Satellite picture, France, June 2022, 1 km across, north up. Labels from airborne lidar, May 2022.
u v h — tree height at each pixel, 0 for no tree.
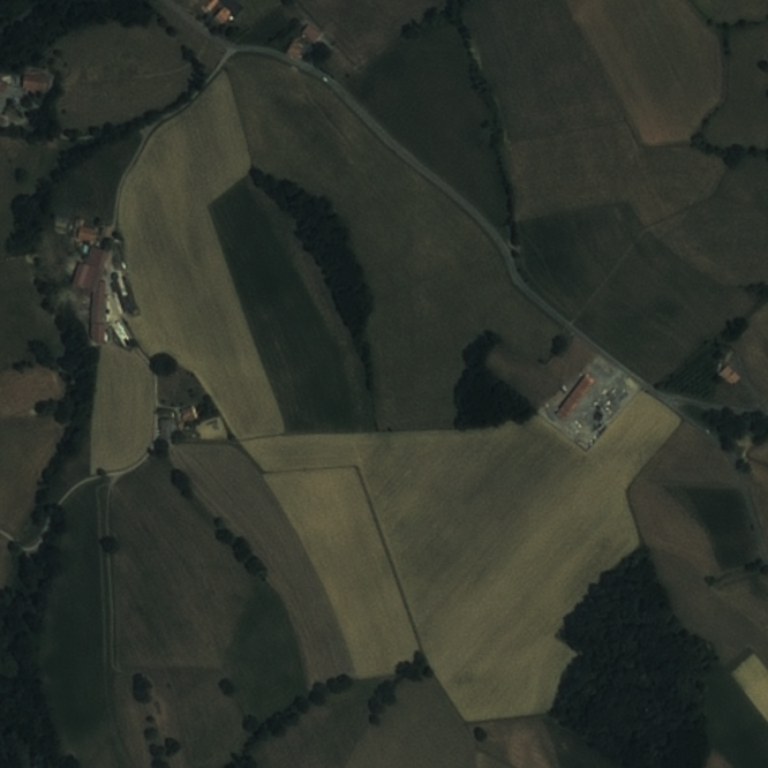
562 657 0
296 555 0
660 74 0
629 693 28
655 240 0
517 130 0
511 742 0
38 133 14
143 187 0
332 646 0
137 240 0
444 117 0
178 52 0
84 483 0
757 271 0
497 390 26
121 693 0
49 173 0
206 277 0
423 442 0
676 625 20
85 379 16
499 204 0
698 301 0
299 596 0
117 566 0
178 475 14
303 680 0
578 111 0
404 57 0
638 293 0
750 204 0
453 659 0
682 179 0
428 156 0
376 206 0
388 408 0
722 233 0
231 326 0
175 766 0
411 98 0
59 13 30
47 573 15
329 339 0
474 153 0
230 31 10
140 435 0
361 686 0
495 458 0
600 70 0
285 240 0
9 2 17
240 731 0
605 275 0
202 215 0
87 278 0
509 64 0
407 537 0
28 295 0
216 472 0
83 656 0
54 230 0
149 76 0
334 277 20
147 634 0
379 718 8
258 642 0
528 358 0
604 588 15
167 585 0
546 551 0
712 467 0
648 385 0
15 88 0
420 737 0
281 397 0
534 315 0
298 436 0
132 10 29
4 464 0
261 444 0
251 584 0
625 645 25
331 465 0
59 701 0
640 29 0
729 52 7
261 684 0
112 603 0
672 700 22
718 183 0
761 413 13
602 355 0
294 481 0
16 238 18
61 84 11
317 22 0
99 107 0
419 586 0
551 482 0
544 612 0
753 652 0
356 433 0
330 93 0
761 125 0
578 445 0
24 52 10
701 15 0
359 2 0
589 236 0
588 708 26
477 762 0
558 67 0
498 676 0
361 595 0
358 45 0
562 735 0
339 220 24
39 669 16
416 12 0
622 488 0
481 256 0
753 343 0
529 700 0
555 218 0
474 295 0
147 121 13
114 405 0
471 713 0
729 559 0
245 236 0
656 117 0
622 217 0
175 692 0
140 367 0
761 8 0
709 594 0
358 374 0
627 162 0
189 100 14
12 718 24
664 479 0
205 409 7
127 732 0
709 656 12
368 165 0
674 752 33
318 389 0
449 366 0
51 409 21
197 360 0
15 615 15
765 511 0
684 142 0
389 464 0
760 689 0
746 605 0
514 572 0
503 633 0
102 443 0
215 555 0
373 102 0
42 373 0
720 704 0
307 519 0
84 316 0
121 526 0
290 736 0
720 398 0
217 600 0
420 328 0
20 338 0
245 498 0
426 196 0
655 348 0
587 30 0
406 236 0
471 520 0
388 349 0
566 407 0
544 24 0
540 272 0
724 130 0
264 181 17
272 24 0
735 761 0
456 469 0
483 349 23
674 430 0
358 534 0
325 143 0
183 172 0
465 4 14
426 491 0
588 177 0
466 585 0
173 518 0
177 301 0
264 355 0
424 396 0
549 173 0
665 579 0
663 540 0
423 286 0
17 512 0
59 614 0
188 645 0
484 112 0
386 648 0
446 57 0
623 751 26
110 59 0
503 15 0
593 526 0
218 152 0
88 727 0
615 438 0
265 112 0
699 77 0
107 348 0
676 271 0
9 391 0
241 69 0
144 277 0
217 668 0
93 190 0
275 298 0
